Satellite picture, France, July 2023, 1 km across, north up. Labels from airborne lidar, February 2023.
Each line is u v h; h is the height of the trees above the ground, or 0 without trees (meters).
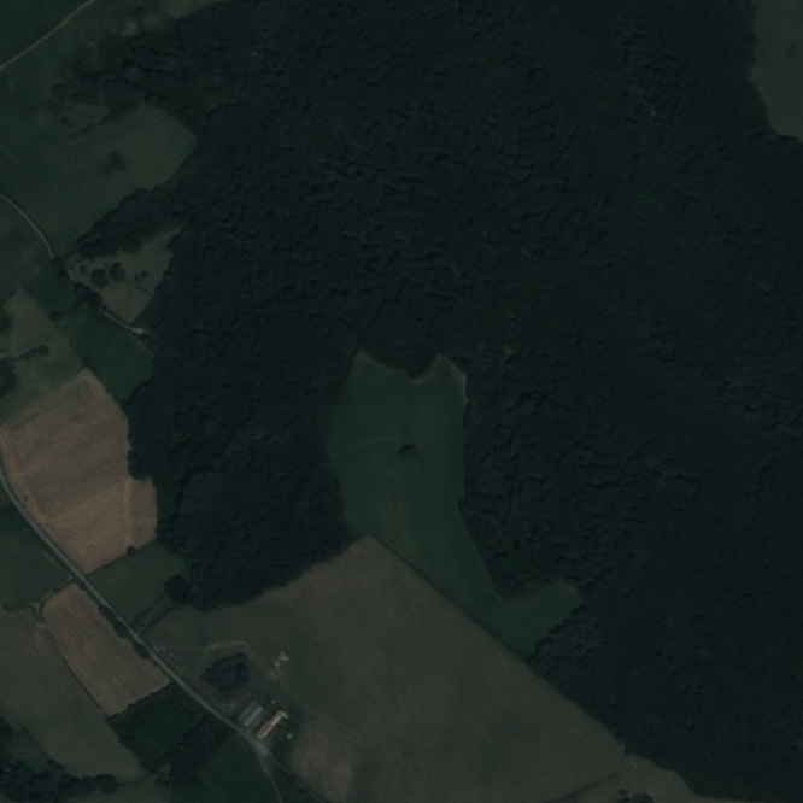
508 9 24
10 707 0
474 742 0
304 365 24
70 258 0
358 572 0
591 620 20
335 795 0
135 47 16
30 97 0
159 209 27
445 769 0
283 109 18
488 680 0
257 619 0
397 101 20
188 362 9
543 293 20
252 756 0
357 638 0
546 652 17
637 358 30
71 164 0
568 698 14
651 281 24
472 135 14
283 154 16
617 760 0
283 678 0
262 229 22
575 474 24
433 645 0
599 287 24
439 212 26
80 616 0
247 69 23
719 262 22
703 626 29
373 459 0
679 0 25
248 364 24
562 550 24
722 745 22
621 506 26
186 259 13
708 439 24
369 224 26
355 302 25
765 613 28
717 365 12
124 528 0
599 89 21
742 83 22
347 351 16
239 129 24
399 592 0
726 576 26
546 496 23
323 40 24
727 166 23
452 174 24
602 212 27
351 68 19
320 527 12
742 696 25
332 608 0
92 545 0
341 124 17
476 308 24
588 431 25
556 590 0
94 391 0
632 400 27
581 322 31
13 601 0
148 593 0
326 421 23
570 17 21
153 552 0
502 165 28
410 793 0
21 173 0
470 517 9
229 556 21
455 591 0
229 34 25
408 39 17
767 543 26
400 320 22
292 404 29
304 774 0
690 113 23
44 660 0
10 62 0
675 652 26
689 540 27
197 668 0
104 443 0
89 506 0
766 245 21
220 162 15
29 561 0
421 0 22
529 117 20
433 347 12
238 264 21
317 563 10
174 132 0
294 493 13
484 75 25
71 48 0
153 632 0
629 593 20
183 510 17
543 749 0
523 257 26
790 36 0
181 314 16
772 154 21
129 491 0
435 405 0
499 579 14
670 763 17
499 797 0
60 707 0
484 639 0
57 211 0
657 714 24
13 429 0
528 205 27
